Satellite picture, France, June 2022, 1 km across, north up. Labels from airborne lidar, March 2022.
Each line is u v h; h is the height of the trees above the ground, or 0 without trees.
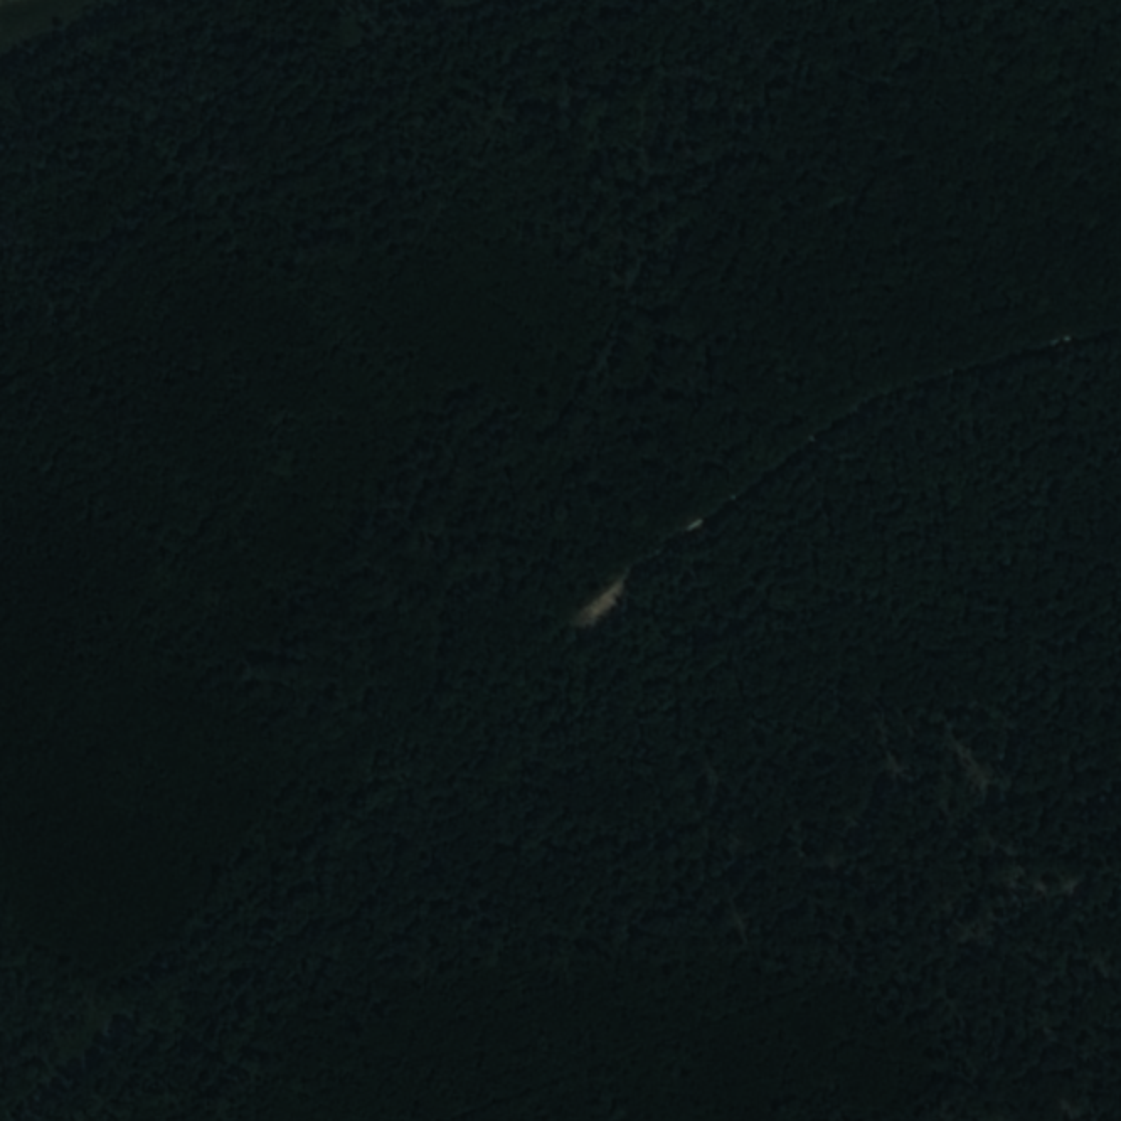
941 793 25
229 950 24
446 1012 7
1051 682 24
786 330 17
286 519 7
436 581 22
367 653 21
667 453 22
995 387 26
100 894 11
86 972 20
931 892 23
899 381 17
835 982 7
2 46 0
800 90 20
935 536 20
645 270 13
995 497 18
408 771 20
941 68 22
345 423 9
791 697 22
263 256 8
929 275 20
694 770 21
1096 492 21
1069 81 21
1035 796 24
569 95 0
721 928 24
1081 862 20
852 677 24
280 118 26
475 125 24
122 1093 22
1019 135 23
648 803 23
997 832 26
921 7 21
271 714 13
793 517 20
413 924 21
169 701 14
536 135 24
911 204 20
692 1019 9
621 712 21
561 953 27
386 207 21
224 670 19
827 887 25
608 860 19
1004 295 20
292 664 24
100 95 24
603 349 24
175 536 12
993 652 20
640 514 24
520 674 27
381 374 11
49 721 9
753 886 25
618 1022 8
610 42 17
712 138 23
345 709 21
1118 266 17
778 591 23
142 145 24
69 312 23
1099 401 21
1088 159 23
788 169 22
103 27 21
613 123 21
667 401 22
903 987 25
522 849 20
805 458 23
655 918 23
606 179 23
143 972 19
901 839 21
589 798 21
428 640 20
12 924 20
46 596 18
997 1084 25
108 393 12
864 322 20
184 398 11
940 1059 21
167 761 12
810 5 20
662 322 22
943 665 22
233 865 21
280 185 24
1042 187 20
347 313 7
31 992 18
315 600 22
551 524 22
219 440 10
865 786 22
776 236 23
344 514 9
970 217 22
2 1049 22
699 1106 11
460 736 24
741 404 19
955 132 18
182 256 12
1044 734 23
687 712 20
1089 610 17
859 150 21
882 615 20
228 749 8
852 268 21
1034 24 22
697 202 22
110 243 13
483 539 26
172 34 18
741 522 22
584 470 24
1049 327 20
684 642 20
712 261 21
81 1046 0
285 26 9
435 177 22
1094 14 18
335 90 7
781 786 24
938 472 20
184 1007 24
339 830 25
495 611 24
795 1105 20
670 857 24
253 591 7
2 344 21
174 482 13
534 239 6
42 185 17
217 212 16
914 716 22
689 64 20
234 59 21
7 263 23
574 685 27
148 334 6
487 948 27
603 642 19
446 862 24
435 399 7
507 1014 6
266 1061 27
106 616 18
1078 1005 21
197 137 22
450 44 22
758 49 20
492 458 24
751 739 21
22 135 23
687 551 19
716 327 24
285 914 29
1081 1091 23
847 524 19
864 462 20
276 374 8
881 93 20
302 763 18
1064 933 24
